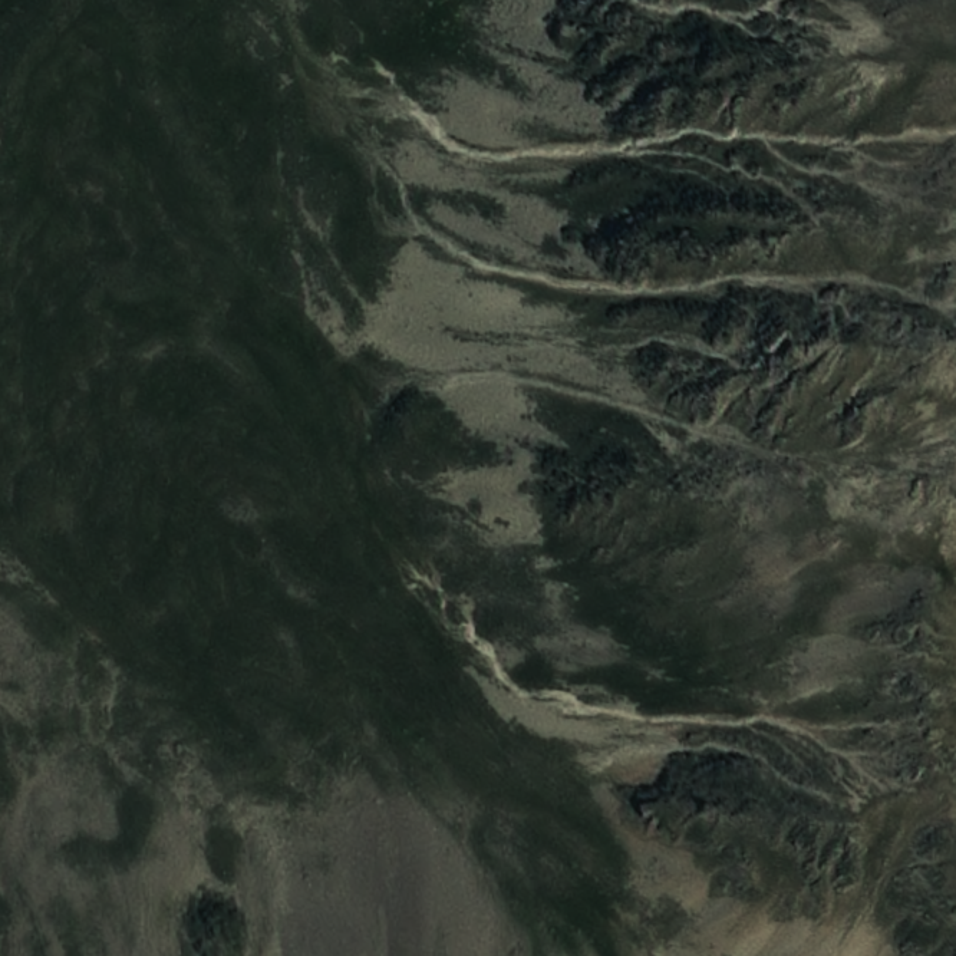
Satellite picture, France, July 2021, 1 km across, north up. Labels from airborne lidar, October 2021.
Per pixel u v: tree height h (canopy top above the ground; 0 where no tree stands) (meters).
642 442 0
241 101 0
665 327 0
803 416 0
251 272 0
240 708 0
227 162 0
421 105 0
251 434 0
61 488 0
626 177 0
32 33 0
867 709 0
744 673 0
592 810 0
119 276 0
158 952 0
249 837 0
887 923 0
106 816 0
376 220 0
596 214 0
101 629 0
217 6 0
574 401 0
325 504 0
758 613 0
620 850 0
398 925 0
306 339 0
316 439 0
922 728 0
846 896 0
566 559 0
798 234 0
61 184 0
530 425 0
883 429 0
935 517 0
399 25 0
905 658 0
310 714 0
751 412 0
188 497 0
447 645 0
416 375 0
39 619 0
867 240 0
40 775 0
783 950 0
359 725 0
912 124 0
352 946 0
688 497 0
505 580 0
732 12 0
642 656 0
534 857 0
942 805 0
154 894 0
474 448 0
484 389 0
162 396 0
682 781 0
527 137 0
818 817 0
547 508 0
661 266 0
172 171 0
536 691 0
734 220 0
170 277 0
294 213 0
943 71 0
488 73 0
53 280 0
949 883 0
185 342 0
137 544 0
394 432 0
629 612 0
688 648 0
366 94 0
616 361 0
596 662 0
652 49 7
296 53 0
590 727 0
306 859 0
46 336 0
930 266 0
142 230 0
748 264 0
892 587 0
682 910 0
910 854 0
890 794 0
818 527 0
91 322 0
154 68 0
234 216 0
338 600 0
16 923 0
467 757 0
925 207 0
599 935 0
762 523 0
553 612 0
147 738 0
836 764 0
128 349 0
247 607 0
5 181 0
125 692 0
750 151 0
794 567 0
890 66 0
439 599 0
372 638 0
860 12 0
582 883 0
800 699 0
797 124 0
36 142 0
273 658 0
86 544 0
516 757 0
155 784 0
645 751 0
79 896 0
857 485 0
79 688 0
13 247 0
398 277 0
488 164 0
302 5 0
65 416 0
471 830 0
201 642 0
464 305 0
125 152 0
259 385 0
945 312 0
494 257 0
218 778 0
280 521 0
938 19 0
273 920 0
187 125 0
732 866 0
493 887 0
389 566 0
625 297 0
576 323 0
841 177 0
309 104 0
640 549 0
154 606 0
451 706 0
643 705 0
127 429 0
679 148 0
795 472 0
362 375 0
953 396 0
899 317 0
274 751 0
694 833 0
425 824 0
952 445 0
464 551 0
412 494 0
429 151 0
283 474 0
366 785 0
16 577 0
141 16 0
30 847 0
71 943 0
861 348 0
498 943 0
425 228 0
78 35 0
